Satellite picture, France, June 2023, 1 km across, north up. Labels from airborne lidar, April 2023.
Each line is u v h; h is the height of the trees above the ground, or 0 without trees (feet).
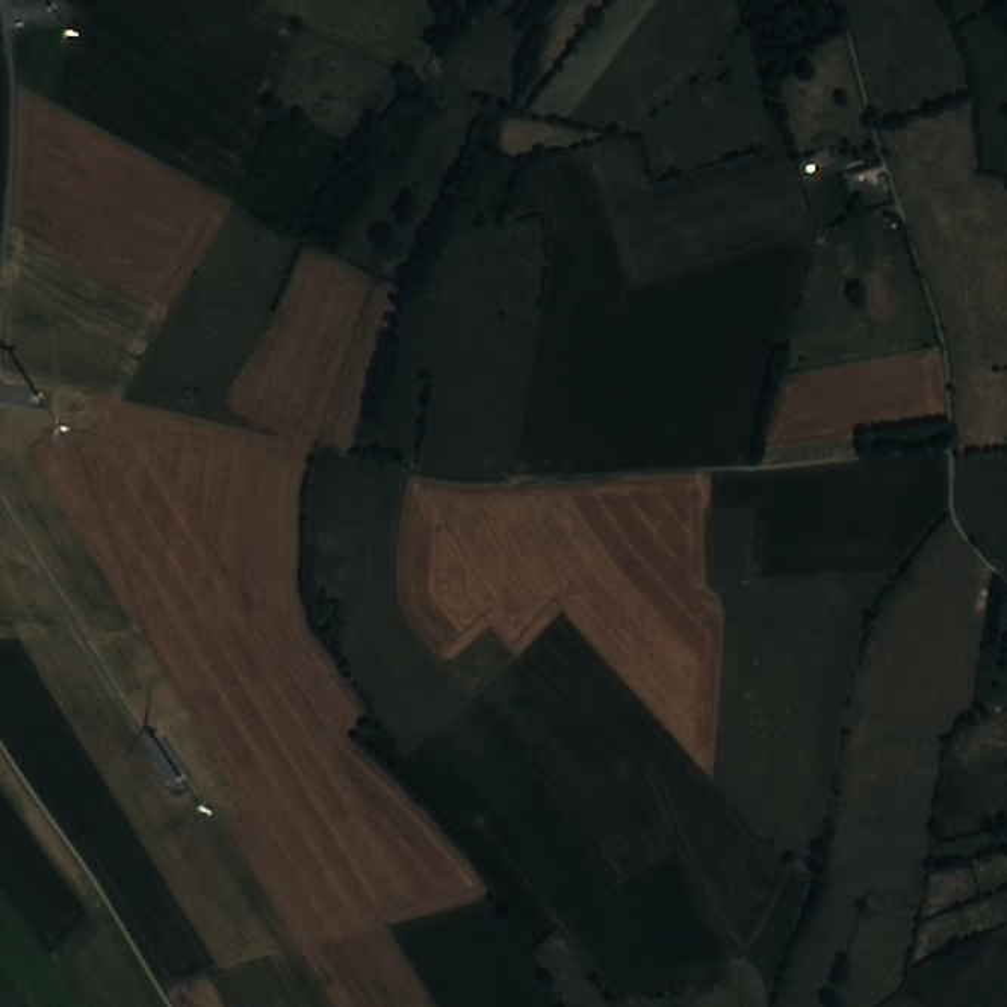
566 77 0
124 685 0
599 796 0
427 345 0
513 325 0
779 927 0
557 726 0
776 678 0
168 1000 0
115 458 0
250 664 0
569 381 0
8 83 0
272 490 0
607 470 0
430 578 0
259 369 0
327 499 0
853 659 0
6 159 0
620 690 0
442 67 0
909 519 0
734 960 0
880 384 0
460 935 0
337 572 0
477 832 0
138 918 0
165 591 0
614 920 0
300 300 0
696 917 0
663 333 0
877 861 0
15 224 0
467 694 0
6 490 0
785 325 0
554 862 0
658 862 0
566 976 0
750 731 0
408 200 51
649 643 0
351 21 0
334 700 0
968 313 0
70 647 0
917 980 0
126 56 0
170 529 0
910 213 0
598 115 0
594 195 0
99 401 0
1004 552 0
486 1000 0
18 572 0
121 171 0
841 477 0
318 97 0
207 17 0
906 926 0
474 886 0
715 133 0
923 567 0
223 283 0
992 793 0
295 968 0
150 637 0
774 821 0
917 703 0
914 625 0
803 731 0
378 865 0
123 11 0
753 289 0
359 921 0
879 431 49
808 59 60
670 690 0
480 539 0
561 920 0
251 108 0
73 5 0
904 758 0
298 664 0
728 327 0
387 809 0
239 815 0
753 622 0
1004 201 0
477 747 0
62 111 0
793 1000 0
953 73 0
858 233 0
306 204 31
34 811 0
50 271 0
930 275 0
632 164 0
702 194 0
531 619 0
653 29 0
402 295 82
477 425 0
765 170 0
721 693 0
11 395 0
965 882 0
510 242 0
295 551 0
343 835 0
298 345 0
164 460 0
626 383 0
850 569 0
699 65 0
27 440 0
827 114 0
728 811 0
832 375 0
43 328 0
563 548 0
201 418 0
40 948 0
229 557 0
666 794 0
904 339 0
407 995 0
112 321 0
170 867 0
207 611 0
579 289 0
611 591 0
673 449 0
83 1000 0
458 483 0
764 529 0
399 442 0
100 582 0
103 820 0
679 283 0
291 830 0
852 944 0
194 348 0
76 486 0
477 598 0
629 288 0
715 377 0
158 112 0
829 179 0
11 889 0
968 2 0
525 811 0
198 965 0
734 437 0
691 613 0
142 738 0
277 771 0
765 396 36
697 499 0
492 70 0
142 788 0
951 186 0
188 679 0
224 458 0
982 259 0
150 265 0
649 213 0
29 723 0
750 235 0
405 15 0
